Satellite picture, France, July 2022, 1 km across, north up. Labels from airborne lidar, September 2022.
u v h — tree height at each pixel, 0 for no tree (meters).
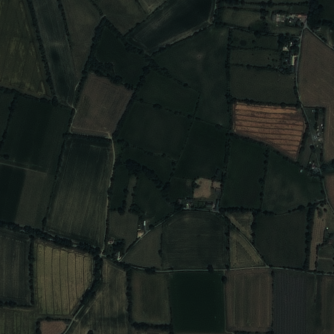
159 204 0
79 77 0
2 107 0
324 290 0
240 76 0
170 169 0
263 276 0
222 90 0
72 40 0
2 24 0
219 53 0
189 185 0
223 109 0
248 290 0
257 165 0
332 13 0
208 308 0
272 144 0
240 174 0
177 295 0
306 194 0
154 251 0
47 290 0
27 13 0
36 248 0
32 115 0
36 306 0
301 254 0
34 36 0
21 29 0
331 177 0
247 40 0
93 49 12
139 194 0
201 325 0
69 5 0
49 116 0
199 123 0
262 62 0
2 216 0
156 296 0
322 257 0
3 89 10
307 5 7
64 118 0
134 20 0
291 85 0
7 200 0
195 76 0
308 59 0
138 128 0
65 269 0
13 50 0
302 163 0
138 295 0
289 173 0
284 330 0
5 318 0
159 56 0
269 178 0
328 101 0
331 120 0
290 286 0
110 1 0
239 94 0
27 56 0
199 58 0
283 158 9
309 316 0
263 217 0
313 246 0
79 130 0
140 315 0
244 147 0
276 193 0
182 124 0
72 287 0
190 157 0
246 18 0
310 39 0
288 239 0
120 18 0
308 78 0
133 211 11
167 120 0
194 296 0
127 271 13
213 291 0
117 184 0
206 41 0
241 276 0
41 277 0
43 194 0
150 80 0
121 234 0
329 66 0
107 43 0
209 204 0
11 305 18
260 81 0
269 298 0
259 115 0
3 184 0
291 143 0
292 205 0
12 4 0
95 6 6
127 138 0
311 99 0
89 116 0
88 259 0
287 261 0
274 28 0
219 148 0
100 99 0
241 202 0
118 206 0
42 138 0
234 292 0
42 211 0
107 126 0
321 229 0
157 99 0
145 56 13
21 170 0
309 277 0
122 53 0
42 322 0
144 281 0
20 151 0
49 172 0
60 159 9
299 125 0
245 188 0
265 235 0
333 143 0
